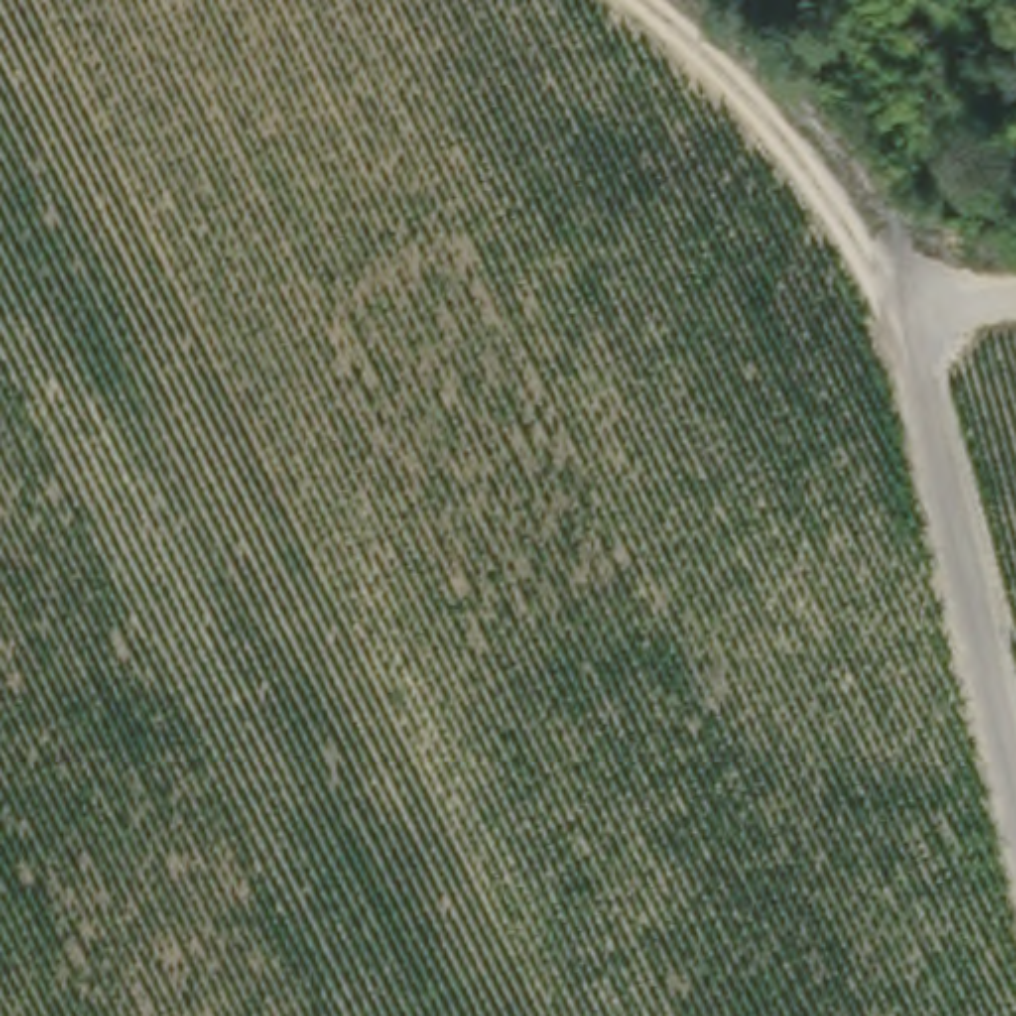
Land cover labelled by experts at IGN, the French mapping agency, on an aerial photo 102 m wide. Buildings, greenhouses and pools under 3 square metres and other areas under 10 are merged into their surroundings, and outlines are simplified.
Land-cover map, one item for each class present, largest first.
<instances>
[{"label":"vineyard","instance_id":"1","mask_svg":"<svg viewBox=\"0 0 1016 1016\"><path fill-rule=\"evenodd\" d=\"M0 1016H1016V909L1000 865V837L988 814V786L976 770V738L964 722V691L953 671L945 607L933 587V552L913 492L901 413L893 405L889 369L869 337V302L861 298L826 226L802 206L794 187L774 171V163L746 143L734 111L726 103H714L702 83H691V75L671 64V56L647 32L611 24L603 0H0ZM953 409L972 460L996 568L1004 579V599L1012 611L1016 667V321L984 325L976 333V345L949 373Z\"/></svg>","mask_w":1016,"mask_h":1016},{"label":"coniferous trees","instance_id":"2","mask_svg":"<svg viewBox=\"0 0 1016 1016\"><path fill-rule=\"evenodd\" d=\"M683 16H691L702 28V36L714 48L734 56L766 91L774 79H814L810 103L822 111L826 123L837 127V135L849 147L865 155L873 183L889 191L893 206L941 214L968 242L984 238V250H992L1008 274H1016V0H671Z\"/></svg>","mask_w":1016,"mask_h":1016},{"label":"impervious surface","instance_id":"3","mask_svg":"<svg viewBox=\"0 0 1016 1016\"><path fill-rule=\"evenodd\" d=\"M1016 321V274H976L933 262L913 250V242L897 246L893 254V286L869 302V337L889 369L893 405L901 413L913 492L933 552V587L945 607L953 671L964 691V722L976 738V770L988 786V814L1000 837V865L1016 909V667L1012 611L1004 599V579L996 568L972 460L953 409L949 373L976 345V333L984 325Z\"/></svg>","mask_w":1016,"mask_h":1016},{"label":"pervious surface","instance_id":"4","mask_svg":"<svg viewBox=\"0 0 1016 1016\"><path fill-rule=\"evenodd\" d=\"M611 24L647 32L671 56V64L691 75V83H702L714 103H726L734 111L746 143L774 163V171L794 187L802 206L826 226L861 298L869 302L893 286V254L865 230L841 183L826 171L814 147L786 123V115L774 107L766 91L734 56L714 48L702 36V28L691 16H683L671 0H603Z\"/></svg>","mask_w":1016,"mask_h":1016},{"label":"herbaceous vegetation","instance_id":"5","mask_svg":"<svg viewBox=\"0 0 1016 1016\"><path fill-rule=\"evenodd\" d=\"M814 79H774L766 91L774 107L786 115V123L814 147L826 171L841 183L865 230L893 254L897 246L913 242V250L933 262L976 274H1008L992 250H984V238L968 242L941 214L893 206L889 191L873 183L865 155L849 147L837 135V127L826 123L822 111L810 103Z\"/></svg>","mask_w":1016,"mask_h":1016}]
</instances>
